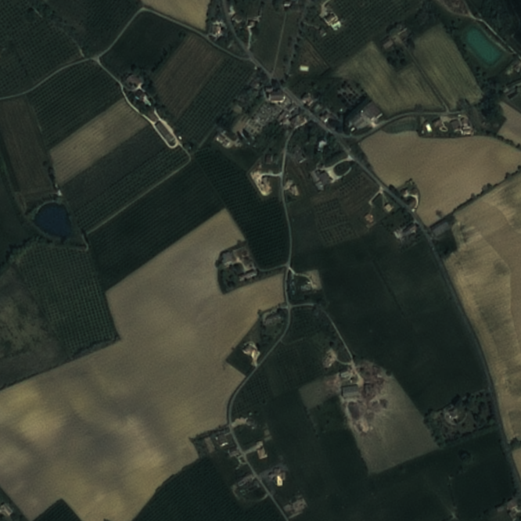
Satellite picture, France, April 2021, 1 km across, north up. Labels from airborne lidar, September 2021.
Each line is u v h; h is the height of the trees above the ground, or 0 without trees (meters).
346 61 0
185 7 0
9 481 0
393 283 0
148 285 0
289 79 15
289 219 0
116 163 0
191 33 0
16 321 0
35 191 0
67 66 0
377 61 0
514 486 9
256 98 15
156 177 5
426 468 0
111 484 0
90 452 0
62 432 0
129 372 0
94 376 0
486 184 0
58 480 0
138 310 0
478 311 0
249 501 0
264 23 0
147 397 0
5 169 6
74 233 0
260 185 0
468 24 0
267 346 11
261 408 0
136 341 0
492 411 6
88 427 0
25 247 11
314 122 7
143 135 0
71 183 0
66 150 0
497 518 0
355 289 0
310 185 0
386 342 0
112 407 0
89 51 10
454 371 0
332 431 0
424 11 9
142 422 0
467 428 7
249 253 0
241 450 0
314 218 0
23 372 0
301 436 0
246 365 0
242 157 0
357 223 0
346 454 0
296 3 8
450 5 0
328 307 11
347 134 15
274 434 0
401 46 0
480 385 0
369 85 0
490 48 0
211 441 0
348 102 11
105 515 0
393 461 0
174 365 0
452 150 0
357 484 0
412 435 0
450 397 0
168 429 0
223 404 0
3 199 0
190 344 0
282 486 0
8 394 0
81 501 0
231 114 9
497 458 0
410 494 0
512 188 0
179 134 10
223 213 0
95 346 15
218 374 0
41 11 15
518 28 0
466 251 0
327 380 0
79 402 0
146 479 0
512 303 0
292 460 0
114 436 0
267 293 0
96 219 6
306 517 0
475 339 0
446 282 0
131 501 0
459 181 0
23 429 0
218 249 0
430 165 0
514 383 0
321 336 0
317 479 0
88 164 0
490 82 11
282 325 8
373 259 0
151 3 0
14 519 16
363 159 10
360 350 0
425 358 0
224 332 0
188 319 0
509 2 0
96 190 0
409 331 0
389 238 0
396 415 0
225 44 9
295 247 0
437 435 10
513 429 0
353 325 0
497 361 0
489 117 25
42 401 0
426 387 0
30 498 0
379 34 0
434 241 10
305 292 0
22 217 6
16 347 0
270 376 0
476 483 0
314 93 0
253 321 0
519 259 0
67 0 0
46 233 8
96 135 0
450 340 0
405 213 11
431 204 0
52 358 0
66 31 17
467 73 0
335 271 0
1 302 0
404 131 0
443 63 0
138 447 0
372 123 0
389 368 0
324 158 6
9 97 0
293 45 11
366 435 0
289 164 0
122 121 0
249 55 0
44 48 6
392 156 0
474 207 0
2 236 0
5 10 6
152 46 0
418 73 0
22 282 0
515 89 8
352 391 0
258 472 0
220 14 7
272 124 8
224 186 5
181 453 0
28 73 7
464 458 18
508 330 0
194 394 0
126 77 7
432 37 0
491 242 0
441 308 0
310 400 0
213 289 0
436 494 0
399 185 0
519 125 0
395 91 0
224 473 0
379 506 0
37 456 0
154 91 13
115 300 0
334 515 0
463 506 0
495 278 0
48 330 0
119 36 0
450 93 0
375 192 0
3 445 0
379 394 0
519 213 0
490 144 0
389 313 0
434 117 0
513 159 0
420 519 0
